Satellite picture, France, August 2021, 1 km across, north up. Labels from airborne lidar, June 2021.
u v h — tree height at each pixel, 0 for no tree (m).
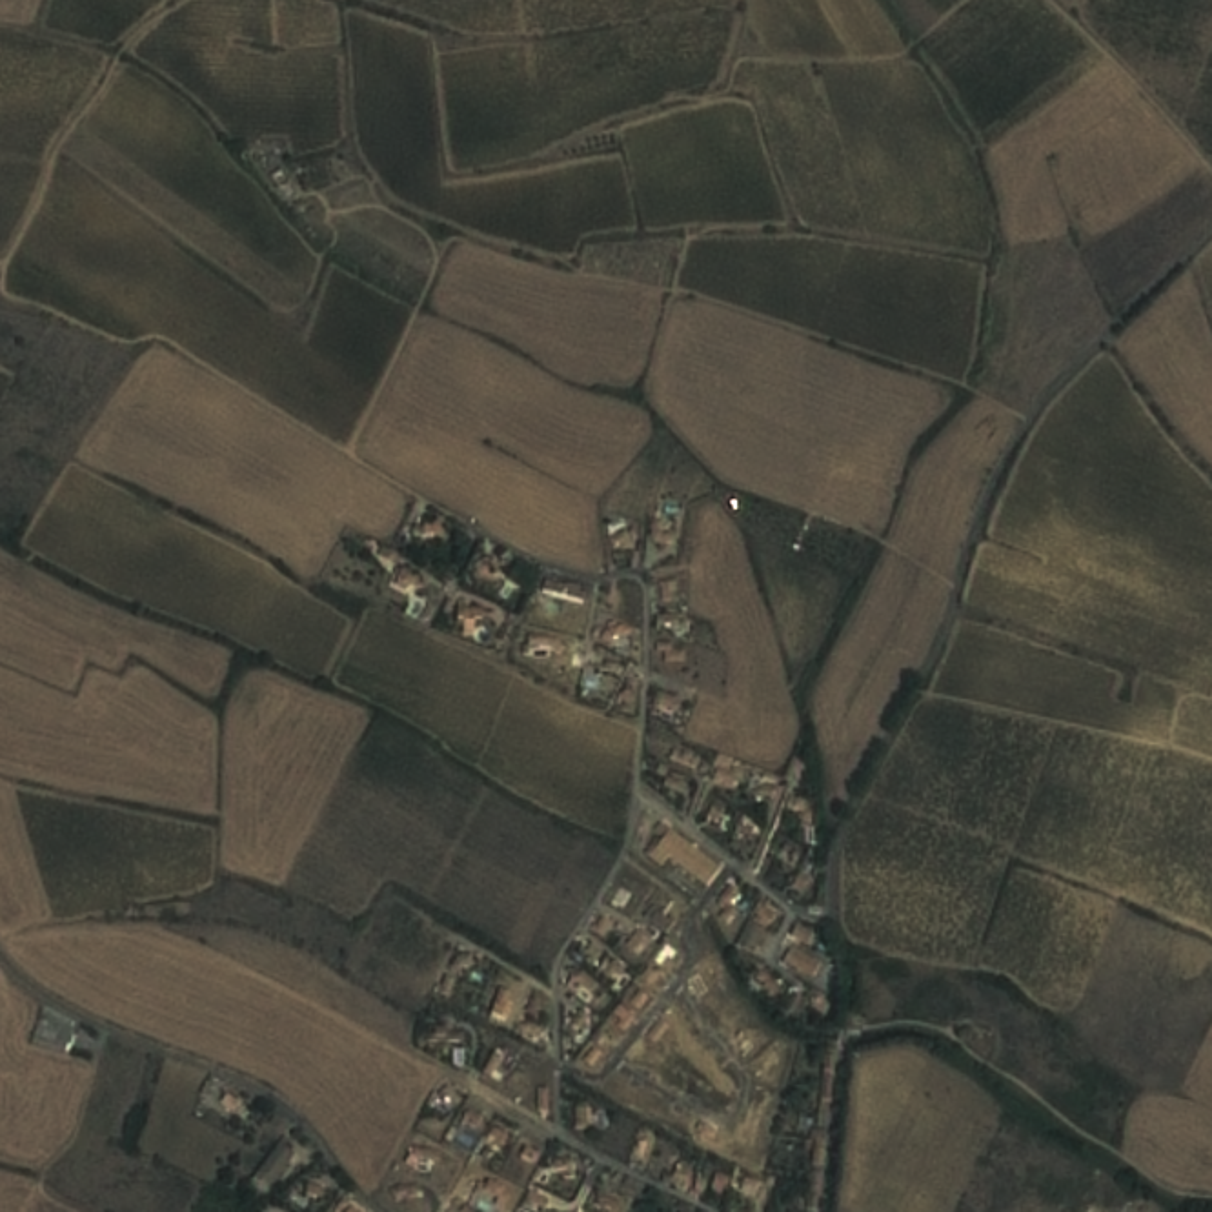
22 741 0
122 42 0
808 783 6
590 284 0
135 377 0
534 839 0
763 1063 0
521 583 10
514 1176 0
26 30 0
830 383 0
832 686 0
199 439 0
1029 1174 0
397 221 0
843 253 0
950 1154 0
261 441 0
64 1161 0
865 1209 0
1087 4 0
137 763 0
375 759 0
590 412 0
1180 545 0
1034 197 0
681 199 0
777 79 0
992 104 0
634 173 0
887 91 0
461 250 0
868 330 0
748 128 0
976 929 0
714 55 0
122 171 0
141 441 0
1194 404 0
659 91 0
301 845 0
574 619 0
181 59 0
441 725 0
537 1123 0
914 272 0
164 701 0
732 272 0
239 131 0
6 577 0
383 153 0
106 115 0
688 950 0
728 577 0
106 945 0
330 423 0
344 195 0
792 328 0
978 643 0
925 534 0
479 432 0
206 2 0
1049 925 0
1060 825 0
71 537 0
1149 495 0
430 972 0
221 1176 7
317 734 0
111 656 0
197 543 0
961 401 0
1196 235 0
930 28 0
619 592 0
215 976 0
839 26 0
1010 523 0
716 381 0
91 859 0
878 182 0
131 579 0
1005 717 0
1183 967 0
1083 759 0
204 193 0
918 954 0
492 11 0
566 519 0
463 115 0
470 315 0
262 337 0
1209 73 0
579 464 0
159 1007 0
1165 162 0
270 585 0
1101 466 0
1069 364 0
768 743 0
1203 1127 0
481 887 0
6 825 0
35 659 0
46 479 0
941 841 0
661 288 0
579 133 0
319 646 0
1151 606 0
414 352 0
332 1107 0
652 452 0
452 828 0
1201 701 0
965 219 0
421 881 0
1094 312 0
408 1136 0
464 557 10
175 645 0
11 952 0
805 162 0
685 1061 0
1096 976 0
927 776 0
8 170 0
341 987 0
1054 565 0
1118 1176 7
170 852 0
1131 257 0
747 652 0
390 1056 0
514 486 0
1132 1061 0
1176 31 0
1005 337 0
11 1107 0
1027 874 0
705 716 0
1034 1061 0
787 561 0
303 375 0
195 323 0
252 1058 0
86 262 0
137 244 0
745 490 0
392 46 0
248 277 0
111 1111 0
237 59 0
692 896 0
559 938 0
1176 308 0
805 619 0
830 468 0
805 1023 7
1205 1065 0
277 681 0
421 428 0
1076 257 0
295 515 0
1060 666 0
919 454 0
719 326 0
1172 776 0
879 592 0
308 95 0
